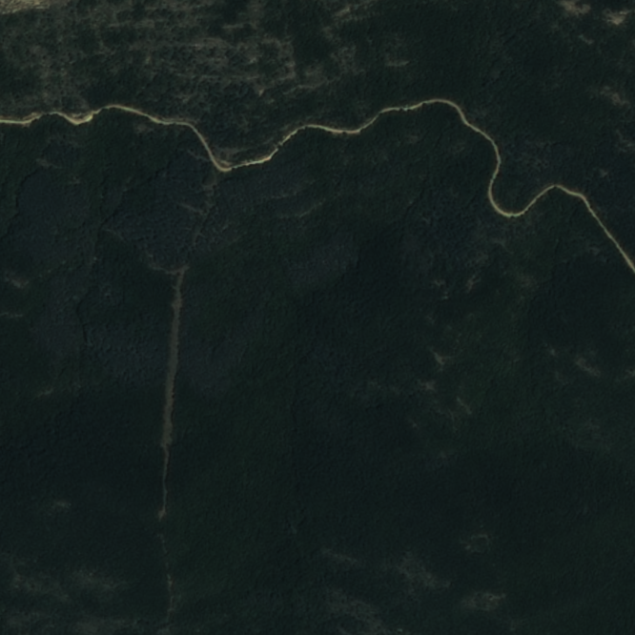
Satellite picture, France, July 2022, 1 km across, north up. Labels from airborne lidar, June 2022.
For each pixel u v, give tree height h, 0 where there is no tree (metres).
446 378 7
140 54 9
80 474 9
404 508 9
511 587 9
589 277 11
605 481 15
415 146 7
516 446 11
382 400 9
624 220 10
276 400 10
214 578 10
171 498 8
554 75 8
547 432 11
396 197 7
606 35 10
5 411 11
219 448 12
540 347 10
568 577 14
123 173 12
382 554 7
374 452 8
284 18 10
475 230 8
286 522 12
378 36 10
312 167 12
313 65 8
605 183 10
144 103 6
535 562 9
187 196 13
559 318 9
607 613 11
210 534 16
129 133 9
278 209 14
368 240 13
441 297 7
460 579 9
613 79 7
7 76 9
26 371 13
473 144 9
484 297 8
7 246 15
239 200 14
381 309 9
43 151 10
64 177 8
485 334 9
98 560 7
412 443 10
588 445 5
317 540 12
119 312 10
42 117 11
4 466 9
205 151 8
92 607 5
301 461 14
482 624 7
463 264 9
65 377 11
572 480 15
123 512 7
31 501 10
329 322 11
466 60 11
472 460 10
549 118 11
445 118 13
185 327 11
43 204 18
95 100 11
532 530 16
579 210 11
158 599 6
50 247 14
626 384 8
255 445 13
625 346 6
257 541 12
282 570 18
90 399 9
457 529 8
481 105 6
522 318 8
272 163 11
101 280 9
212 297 7
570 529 11
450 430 8
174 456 10
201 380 13
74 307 11
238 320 11
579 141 8
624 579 9
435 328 6
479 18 12
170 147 12
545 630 5
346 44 6
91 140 13
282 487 16
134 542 6
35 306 13
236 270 7
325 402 9
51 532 6
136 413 10
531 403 14
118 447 10
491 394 13
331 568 6
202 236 9
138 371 9
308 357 8
